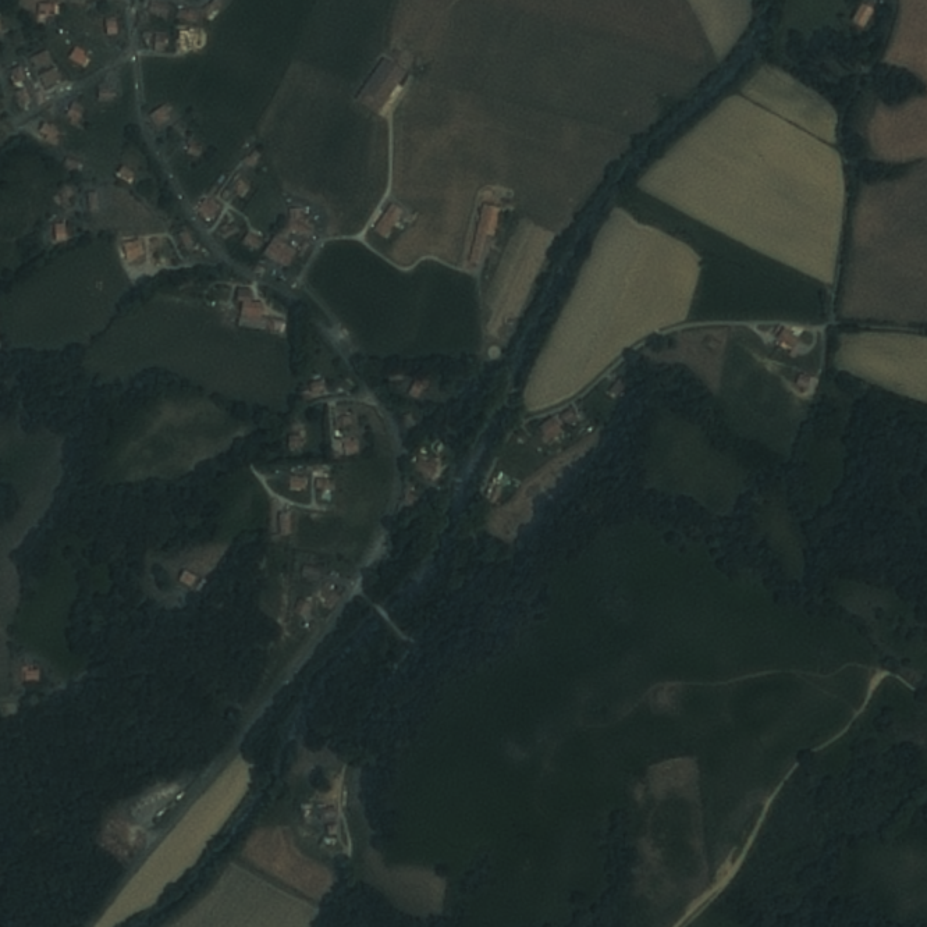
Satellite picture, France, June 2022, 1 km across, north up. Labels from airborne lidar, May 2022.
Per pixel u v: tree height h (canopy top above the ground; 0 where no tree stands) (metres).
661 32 0
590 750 0
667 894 0
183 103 0
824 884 15
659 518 18
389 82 0
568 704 0
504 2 0
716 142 0
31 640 0
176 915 16
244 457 15
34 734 19
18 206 0
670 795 0
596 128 0
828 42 27
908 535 23
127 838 0
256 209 0
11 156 9
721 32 0
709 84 12
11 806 21
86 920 17
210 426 0
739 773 0
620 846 15
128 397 19
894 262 0
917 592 16
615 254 0
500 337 0
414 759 0
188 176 0
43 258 10
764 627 0
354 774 0
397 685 27
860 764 11
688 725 0
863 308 0
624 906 16
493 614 10
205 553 0
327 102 0
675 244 0
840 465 0
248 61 0
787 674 0
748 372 0
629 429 19
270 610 0
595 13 0
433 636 29
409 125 0
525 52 0
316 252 0
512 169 0
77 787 32
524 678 0
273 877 0
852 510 27
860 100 8
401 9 0
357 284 0
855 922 15
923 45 0
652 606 0
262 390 0
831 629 0
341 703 27
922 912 0
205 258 0
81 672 0
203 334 0
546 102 0
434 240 0
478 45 0
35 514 0
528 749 0
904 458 17
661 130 12
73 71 0
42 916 24
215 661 21
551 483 0
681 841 0
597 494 25
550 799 0
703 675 0
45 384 16
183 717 22
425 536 30
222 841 22
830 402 14
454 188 0
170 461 0
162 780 19
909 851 0
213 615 18
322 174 0
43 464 0
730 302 0
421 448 9
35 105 0
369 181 0
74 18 0
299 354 18
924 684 5
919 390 0
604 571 0
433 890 0
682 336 0
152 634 20
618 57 0
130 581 21
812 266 0
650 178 0
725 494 0
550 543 27
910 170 0
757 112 0
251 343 0
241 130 0
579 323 0
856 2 12
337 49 0
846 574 18
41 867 25
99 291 0
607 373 0
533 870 0
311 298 0
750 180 0
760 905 7
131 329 0
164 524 27
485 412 29
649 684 0
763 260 0
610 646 0
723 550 17
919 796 20
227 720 12
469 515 23
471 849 0
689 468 0
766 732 0
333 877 0
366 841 0
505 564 29
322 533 0
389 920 27
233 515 0
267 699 0
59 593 0
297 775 0
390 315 0
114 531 24
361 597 10
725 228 0
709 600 0
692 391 17
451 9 0
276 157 0
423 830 0
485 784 0
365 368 21
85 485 17
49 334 0
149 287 25
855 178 10
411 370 12
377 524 0
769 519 0
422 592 39
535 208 0
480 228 0
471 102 0
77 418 16
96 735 14
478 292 0
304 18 0
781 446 0
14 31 8
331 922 21
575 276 8
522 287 0
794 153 0
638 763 0
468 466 0
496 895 0
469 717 0
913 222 0
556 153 0
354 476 0
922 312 0
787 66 6
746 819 0
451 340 0
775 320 0
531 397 0
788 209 0
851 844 10
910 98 6
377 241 0
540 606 13
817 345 0
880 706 0
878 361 0
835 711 0
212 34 0
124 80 0
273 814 0
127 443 0
